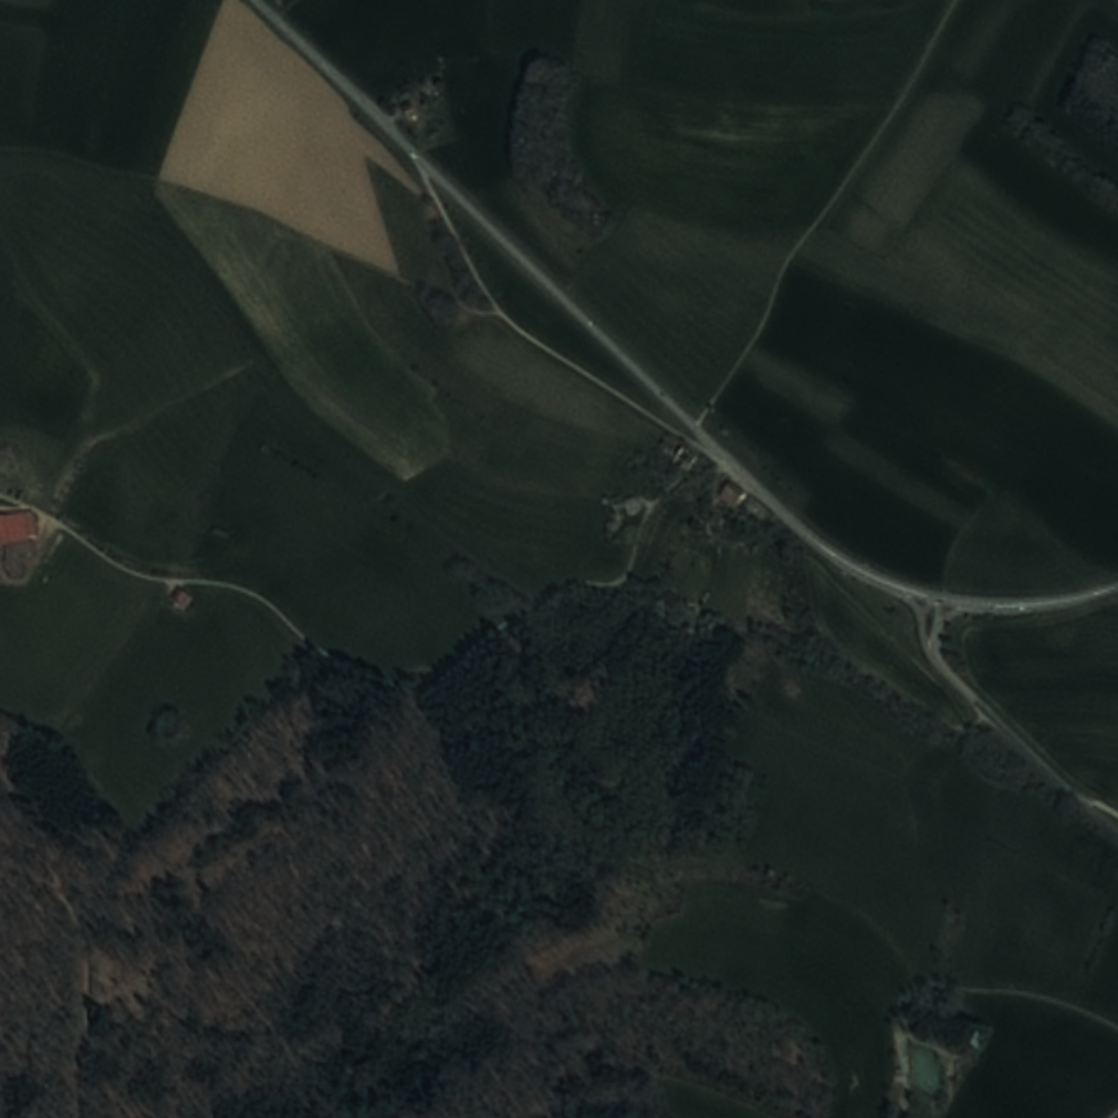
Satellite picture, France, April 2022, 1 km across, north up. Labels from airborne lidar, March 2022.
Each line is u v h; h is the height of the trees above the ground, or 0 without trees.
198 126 0
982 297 0
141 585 0
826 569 0
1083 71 13
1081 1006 0
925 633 0
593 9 0
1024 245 0
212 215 0
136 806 0
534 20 0
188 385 0
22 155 0
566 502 0
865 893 0
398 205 0
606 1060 17
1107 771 0
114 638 0
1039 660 0
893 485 0
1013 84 0
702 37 0
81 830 11
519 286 0
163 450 0
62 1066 26
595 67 0
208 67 0
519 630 19
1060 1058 0
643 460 9
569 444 0
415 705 24
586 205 22
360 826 26
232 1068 27
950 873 0
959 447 0
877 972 0
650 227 0
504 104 0
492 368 0
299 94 0
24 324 0
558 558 0
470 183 0
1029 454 0
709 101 0
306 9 0
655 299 0
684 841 19
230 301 0
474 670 26
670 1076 6
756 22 0
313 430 0
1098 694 0
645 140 0
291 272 0
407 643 0
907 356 0
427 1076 15
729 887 0
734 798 8
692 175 0
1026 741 0
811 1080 16
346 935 13
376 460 0
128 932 23
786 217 0
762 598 0
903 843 0
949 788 0
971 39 0
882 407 0
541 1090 28
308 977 26
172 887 8
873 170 0
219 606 0
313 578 0
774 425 0
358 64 0
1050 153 8
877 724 0
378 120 0
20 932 26
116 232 0
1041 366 0
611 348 0
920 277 0
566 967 0
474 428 0
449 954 26
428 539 0
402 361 0
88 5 0
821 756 0
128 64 0
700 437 0
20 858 13
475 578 21
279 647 0
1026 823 0
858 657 0
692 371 0
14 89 0
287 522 0
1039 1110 0
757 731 0
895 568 0
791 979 0
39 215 0
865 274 0
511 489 0
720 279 0
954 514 0
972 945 0
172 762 0
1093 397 0
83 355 0
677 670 11
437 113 0
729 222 0
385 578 0
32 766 14
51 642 0
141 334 0
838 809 0
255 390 0
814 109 0
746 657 22
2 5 0
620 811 21
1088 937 0
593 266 0
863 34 0
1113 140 19
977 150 0
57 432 0
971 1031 22
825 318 0
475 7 0
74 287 0
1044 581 0
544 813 16
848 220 0
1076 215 0
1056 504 0
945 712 0
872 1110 0
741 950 0
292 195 0
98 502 0
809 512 0
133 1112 25
